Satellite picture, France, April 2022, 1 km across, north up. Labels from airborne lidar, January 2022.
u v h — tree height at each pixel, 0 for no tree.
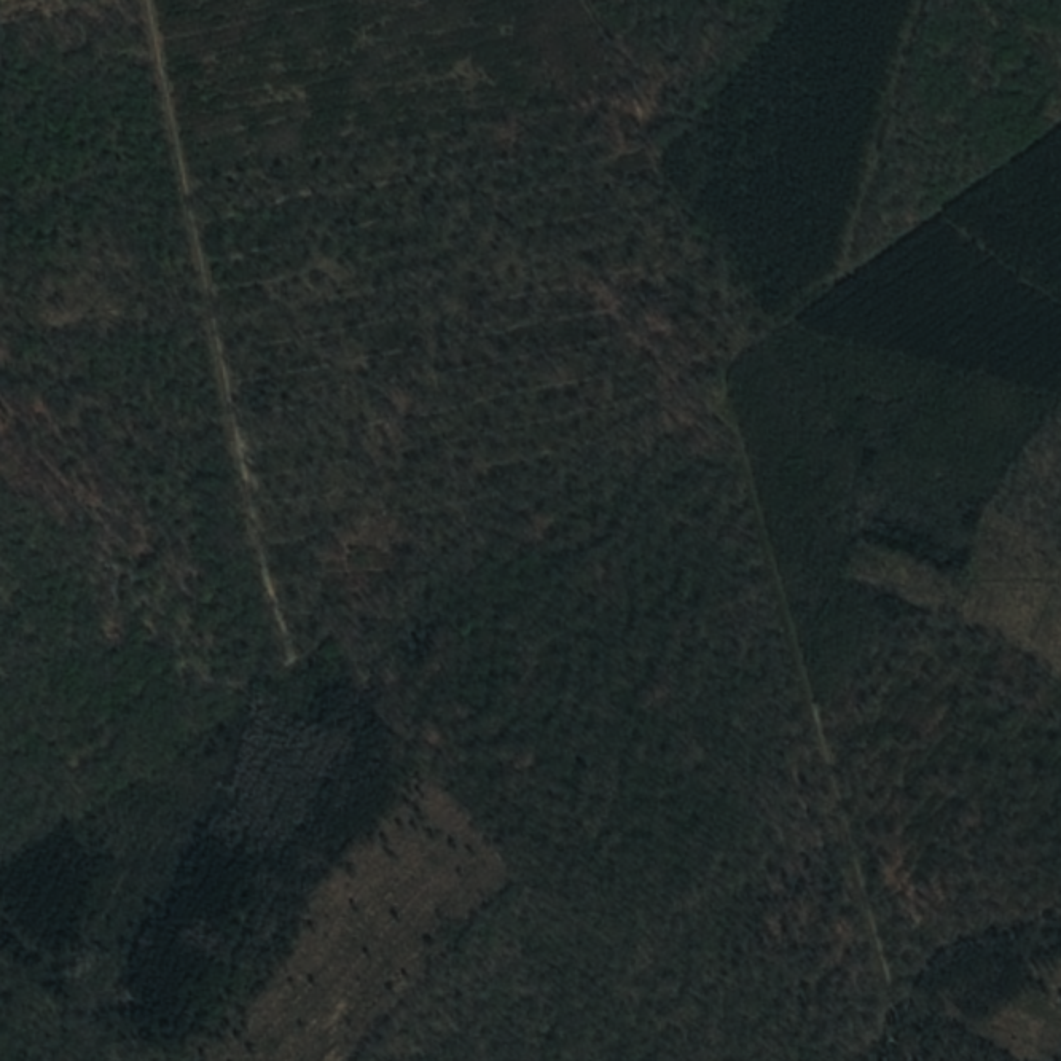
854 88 17
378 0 7
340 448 24
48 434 21
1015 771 24
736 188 18
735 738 20
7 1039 20
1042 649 0
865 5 17
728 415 0
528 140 21
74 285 0
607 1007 22
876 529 21
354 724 22
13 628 20
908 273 12
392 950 0
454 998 20
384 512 24
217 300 19
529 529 30
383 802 18
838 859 24
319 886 18
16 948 26
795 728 25
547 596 28
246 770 20
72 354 22
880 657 6
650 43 12
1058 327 13
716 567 24
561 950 22
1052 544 21
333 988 0
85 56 19
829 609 14
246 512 25
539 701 25
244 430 20
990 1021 22
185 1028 19
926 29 19
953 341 14
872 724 22
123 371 22
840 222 17
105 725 23
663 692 24
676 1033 21
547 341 0
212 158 7
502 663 24
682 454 26
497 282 23
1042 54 27
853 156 17
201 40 6
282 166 14
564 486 25
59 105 24
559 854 20
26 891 19
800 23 19
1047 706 26
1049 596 0
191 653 23
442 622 26
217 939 17
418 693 24
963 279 12
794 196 18
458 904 0
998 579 0
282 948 18
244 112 5
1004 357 13
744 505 21
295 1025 0
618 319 0
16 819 24
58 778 23
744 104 17
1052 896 7
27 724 22
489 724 26
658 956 24
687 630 26
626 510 24
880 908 23
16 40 23
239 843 18
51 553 20
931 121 24
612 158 22
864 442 9
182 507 22
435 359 25
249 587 23
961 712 26
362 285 0
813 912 32
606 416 0
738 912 22
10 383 32
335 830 19
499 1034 22
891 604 12
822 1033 23
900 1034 26
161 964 17
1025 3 26
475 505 25
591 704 23
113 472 27
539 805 28
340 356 24
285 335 0
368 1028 0
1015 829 25
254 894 15
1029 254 16
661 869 27
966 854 23
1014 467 21
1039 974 21
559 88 6
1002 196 17
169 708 21
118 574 22
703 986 25
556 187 24
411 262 24
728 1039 21
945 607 0
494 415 0
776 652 24
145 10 15
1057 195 18
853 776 23
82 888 19
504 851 21
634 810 21
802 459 12
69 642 24
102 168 18
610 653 23
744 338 26
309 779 16
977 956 21
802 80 15
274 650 22
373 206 0
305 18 7
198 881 20
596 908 24
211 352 20
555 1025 23
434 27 7
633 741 23
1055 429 17
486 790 24
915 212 21
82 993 11
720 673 24
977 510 9
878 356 9
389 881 0
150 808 7
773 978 24
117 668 22
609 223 23
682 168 21
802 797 25
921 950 24
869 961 21
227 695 25
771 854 21
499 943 24
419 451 26
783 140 18
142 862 8
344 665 21
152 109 19
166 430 27
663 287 29
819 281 18
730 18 28
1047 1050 0
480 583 26
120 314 0
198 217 21
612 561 28
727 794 22
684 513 23
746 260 21
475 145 22
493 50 6
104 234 20
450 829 0
